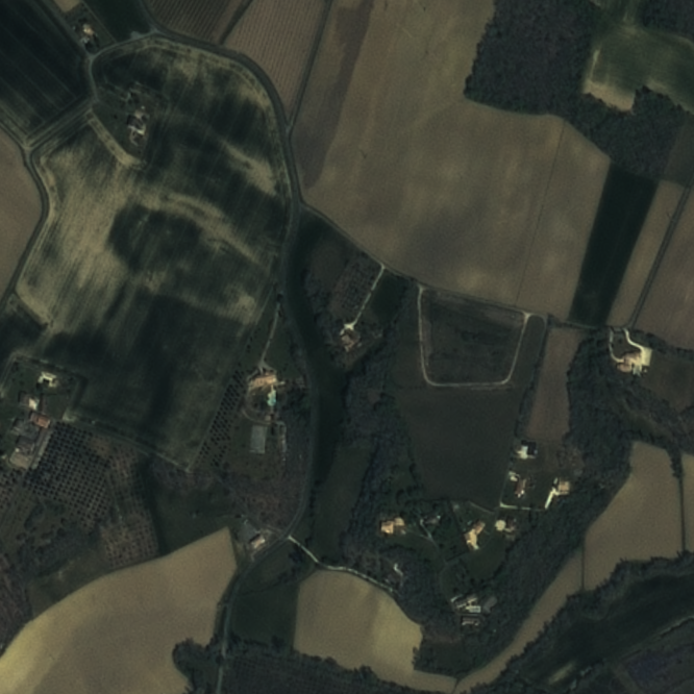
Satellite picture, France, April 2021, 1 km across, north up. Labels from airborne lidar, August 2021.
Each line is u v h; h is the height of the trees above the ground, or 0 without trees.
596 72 0
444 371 0
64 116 0
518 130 0
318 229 0
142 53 0
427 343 0
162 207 0
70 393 6
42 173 0
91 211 0
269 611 0
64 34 0
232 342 0
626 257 0
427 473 0
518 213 0
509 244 0
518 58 14
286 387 9
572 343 0
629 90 0
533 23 7
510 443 0
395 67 0
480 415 0
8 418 0
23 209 0
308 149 0
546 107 16
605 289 0
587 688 12
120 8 0
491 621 19
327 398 0
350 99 0
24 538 10
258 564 0
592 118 18
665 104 17
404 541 0
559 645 0
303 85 0
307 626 0
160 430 0
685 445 19
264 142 0
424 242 0
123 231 0
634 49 0
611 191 0
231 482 18
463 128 0
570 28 13
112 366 0
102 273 0
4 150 0
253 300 0
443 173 0
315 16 0
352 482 0
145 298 0
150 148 0
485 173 0
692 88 0
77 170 0
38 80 0
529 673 0
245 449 7
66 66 0
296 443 19
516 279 0
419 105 0
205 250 0
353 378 17
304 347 0
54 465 7
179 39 0
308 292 19
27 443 0
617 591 23
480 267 0
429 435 0
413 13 0
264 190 0
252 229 0
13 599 15
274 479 7
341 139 0
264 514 7
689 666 0
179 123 0
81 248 0
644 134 16
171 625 0
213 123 0
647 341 12
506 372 0
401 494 8
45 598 0
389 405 12
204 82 0
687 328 0
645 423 0
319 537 0
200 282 0
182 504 0
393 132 0
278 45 0
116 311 0
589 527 13
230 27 0
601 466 8
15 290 0
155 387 0
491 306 0
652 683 0
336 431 0
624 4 0
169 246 0
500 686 7
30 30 0
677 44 0
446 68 0
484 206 0
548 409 0
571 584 0
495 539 0
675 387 0
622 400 22
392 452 21
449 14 0
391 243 0
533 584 10
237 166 0
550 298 0
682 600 0
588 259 0
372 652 0
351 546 14
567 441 13
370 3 0
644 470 0
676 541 0
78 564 0
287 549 0
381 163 0
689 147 0
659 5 17
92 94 0
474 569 0
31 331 0
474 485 0
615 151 15
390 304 0
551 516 12
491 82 16
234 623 0
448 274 0
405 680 0
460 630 10
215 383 0
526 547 16
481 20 0
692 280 0
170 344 0
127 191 0
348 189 0
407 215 0
